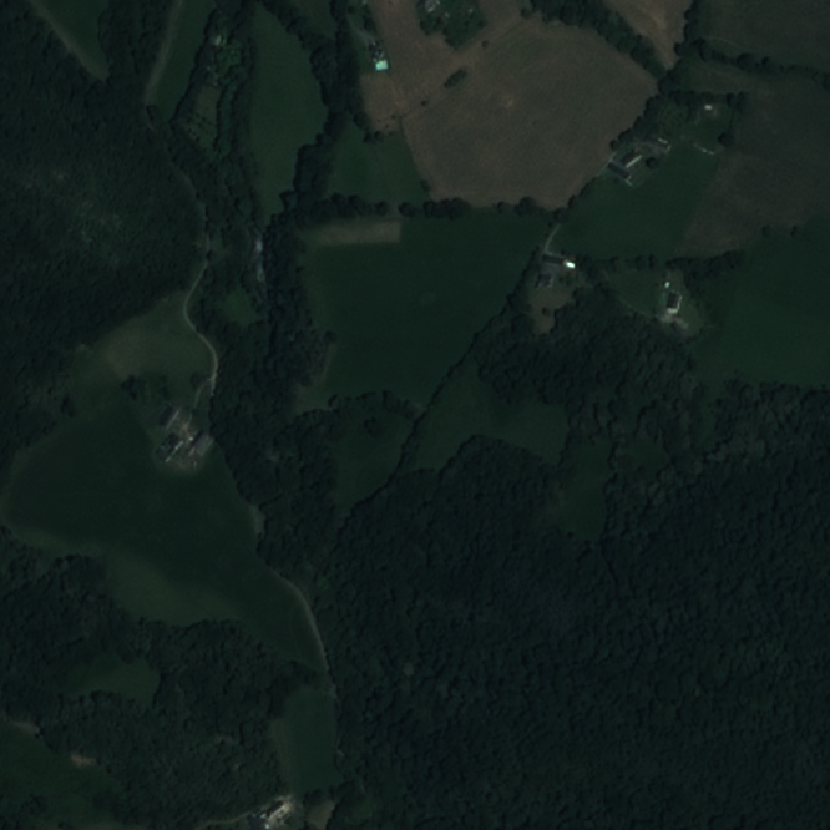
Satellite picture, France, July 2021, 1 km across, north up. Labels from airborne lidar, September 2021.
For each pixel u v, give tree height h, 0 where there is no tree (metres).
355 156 0
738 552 16
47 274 19
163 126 11
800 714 12
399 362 0
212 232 14
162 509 0
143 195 16
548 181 0
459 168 0
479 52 0
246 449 27
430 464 0
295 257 12
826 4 0
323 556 16
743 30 0
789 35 0
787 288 0
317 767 0
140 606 0
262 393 12
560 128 0
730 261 20
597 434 9
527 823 16
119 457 0
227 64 14
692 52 9
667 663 23
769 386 11
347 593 21
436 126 0
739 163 0
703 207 0
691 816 19
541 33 0
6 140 21
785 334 0
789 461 31
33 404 17
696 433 11
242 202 22
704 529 24
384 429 16
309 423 19
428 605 15
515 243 0
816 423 26
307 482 23
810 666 14
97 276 17
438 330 0
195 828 26
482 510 29
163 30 17
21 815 25
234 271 17
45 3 0
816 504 23
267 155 0
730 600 19
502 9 0
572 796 19
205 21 0
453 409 0
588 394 20
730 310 0
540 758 18
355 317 0
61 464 0
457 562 15
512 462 20
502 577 19
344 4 17
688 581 19
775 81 0
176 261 14
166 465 0
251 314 0
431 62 0
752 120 0
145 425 0
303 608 0
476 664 27
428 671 26
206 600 0
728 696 20
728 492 26
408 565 22
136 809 17
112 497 0
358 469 0
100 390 0
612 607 19
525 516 25
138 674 0
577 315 14
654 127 10
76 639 20
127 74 14
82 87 33
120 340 0
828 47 0
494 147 0
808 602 16
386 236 0
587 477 0
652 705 9
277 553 25
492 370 13
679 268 10
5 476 23
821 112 0
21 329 27
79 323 24
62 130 15
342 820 22
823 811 15
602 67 0
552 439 0
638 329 17
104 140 29
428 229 0
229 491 0
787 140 0
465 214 17
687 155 0
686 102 16
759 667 8
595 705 11
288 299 35
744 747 8
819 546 19
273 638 0
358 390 0
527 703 15
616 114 0
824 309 0
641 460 0
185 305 0
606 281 9
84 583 27
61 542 0
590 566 30
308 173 26
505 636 23
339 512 21
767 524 26
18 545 19
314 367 15
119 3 18
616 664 20
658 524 29
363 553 20
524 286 11
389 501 23
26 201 10
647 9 0
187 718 24
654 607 20
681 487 17
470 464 18
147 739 24
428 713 23
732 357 0
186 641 28
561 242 0
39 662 24
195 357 0
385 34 0
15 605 29
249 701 26
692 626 17
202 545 0
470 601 23
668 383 25
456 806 22
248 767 17
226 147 20
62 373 19
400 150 0
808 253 0
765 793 14
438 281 0
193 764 20
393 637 21
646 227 0
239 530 0
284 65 0
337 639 13
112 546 0
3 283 12
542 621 22
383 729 22
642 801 27
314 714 0
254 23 6
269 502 17
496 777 18
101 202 7
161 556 0
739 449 24
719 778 10
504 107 0
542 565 23
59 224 9
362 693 28
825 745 13
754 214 0
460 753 27
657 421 19
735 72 0
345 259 0
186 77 0
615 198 0
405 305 0
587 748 15
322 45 21
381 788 15
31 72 33
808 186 0
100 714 22
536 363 16
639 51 18
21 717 26
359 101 21
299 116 0
